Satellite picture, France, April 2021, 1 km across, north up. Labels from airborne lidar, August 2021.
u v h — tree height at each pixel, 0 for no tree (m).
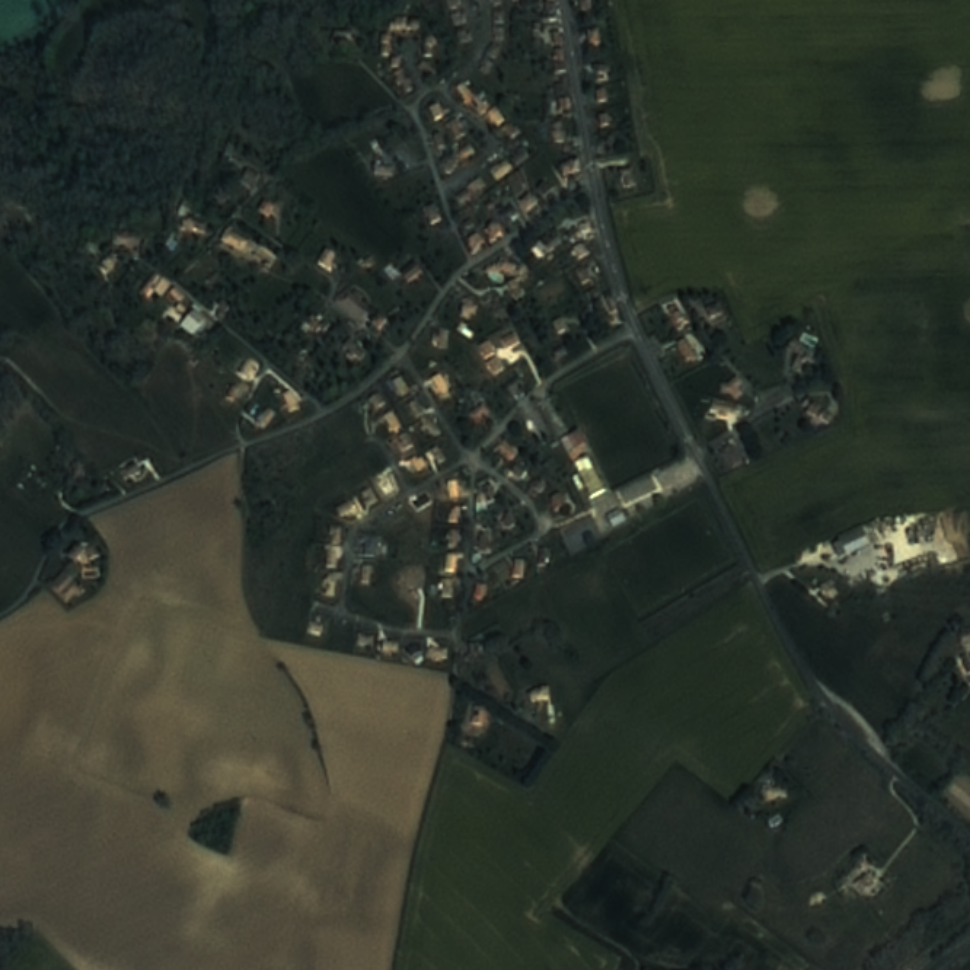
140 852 0
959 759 15
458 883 0
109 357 10
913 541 0
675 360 7
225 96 22
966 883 7
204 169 15
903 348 0
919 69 0
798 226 0
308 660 0
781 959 0
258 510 7
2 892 0
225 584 0
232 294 10
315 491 0
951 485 0
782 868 0
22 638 0
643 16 0
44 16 24
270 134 20
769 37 0
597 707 0
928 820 13
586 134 0
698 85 0
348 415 0
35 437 0
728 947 0
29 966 0
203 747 0
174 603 0
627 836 0
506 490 9
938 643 8
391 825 0
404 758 0
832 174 0
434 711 0
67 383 0
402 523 0
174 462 0
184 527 0
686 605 0
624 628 0
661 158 0
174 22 21
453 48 13
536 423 0
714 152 0
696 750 0
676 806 0
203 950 0
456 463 0
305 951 0
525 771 8
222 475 0
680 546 0
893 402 0
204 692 0
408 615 0
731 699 0
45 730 0
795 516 0
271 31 22
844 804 0
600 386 0
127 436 0
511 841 0
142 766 0
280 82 14
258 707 0
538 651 0
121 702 0
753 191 0
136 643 0
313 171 0
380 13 19
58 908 0
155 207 7
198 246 11
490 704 18
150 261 12
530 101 0
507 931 0
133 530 0
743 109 0
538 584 0
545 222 11
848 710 0
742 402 0
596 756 0
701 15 0
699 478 0
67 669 0
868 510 0
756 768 0
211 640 0
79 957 0
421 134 12
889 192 0
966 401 0
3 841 0
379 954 0
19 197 16
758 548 0
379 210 0
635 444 0
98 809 0
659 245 0
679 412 0
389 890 0
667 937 0
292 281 0
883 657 0
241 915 0
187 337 12
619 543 0
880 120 0
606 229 0
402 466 0
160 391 0
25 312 0
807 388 11
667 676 0
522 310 12
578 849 0
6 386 14
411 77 9
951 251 0
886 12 0
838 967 0
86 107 10
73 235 11
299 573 0
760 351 0
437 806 0
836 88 0
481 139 10
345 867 0
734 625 0
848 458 0
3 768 0
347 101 0
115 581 0
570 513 7
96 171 22
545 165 0
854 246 0
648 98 0
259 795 0
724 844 0
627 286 0
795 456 0
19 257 14
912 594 0
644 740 0
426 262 6
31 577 0
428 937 0
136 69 10
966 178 0
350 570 0
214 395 0
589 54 14
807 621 0
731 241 0
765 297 0
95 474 6
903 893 0
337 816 0
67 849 0
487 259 0
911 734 16
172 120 15
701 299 7
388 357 9
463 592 9
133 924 0
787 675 0
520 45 6
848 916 0
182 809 0
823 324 0
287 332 7
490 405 7
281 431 0
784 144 0
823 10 0
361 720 0
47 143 37
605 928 0
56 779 0
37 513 0
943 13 0
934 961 8
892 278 0
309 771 0
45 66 17
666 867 0
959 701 7
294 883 0
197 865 0
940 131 0
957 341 0
